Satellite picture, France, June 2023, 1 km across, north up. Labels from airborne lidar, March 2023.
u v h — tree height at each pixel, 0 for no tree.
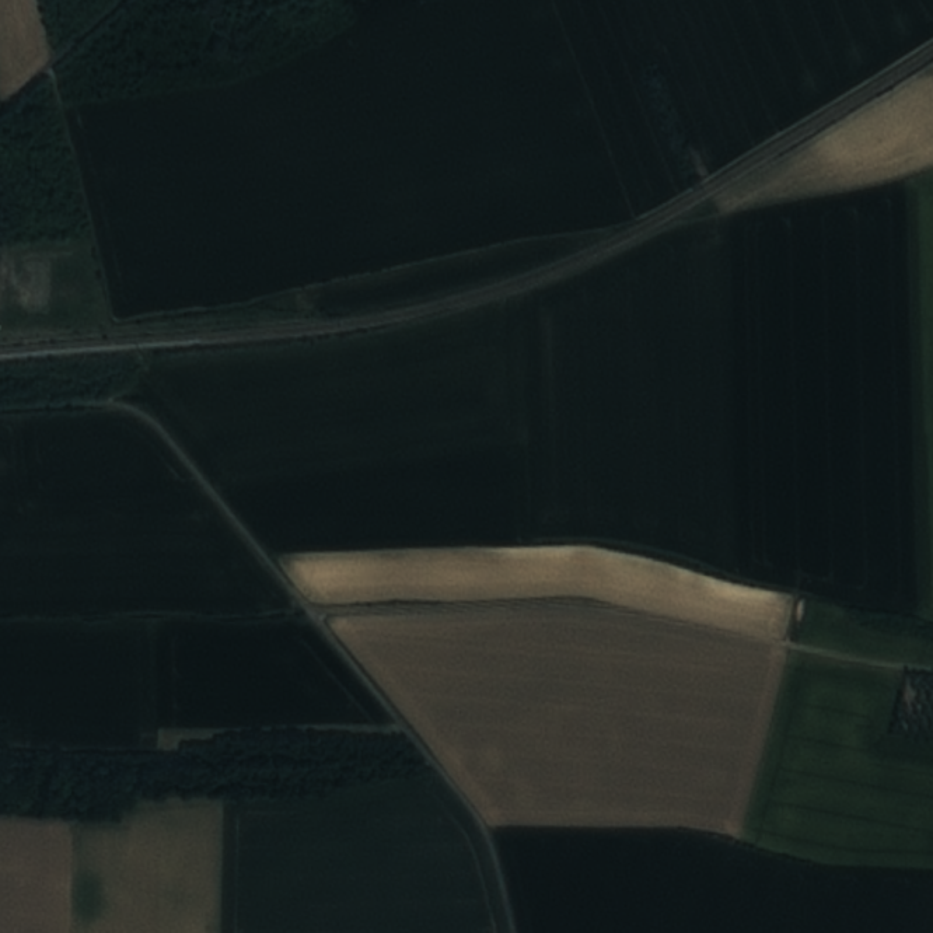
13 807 13
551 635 0
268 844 0
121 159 0
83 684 0
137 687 0
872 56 0
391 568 0
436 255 0
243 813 0
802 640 0
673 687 0
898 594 0
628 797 0
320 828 0
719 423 0
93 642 0
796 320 0
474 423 0
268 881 0
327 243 0
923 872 0
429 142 0
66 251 0
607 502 0
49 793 21
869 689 0
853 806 0
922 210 0
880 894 0
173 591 0
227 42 17
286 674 0
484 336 0
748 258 0
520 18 0
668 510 0
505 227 0
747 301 0
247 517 0
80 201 10
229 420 0
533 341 0
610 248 0
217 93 0
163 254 0
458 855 0
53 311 0
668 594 0
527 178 0
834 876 0
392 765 11
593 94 0
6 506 0
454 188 0
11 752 24
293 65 0
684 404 0
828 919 0
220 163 0
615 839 0
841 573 0
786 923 0
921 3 0
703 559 0
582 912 0
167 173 0
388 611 0
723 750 0
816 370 0
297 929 0
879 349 0
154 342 0
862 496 0
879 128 0
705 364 0
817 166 0
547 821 0
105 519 0
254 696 0
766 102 0
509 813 0
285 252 0
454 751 0
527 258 0
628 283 0
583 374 0
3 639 0
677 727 0
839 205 0
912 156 0
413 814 0
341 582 0
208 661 0
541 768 0
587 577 0
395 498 0
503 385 0
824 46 0
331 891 0
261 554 0
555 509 0
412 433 0
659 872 0
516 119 0
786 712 0
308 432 0
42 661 0
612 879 0
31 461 0
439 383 0
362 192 0
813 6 0
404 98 0
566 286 0
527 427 0
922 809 0
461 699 0
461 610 0
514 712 0
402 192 0
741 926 0
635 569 0
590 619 0
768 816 0
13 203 15
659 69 13
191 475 0
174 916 0
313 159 0
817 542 0
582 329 0
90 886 0
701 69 0
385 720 0
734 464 0
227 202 0
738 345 0
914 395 0
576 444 0
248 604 0
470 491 0
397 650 0
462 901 0
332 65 0
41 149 14
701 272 0
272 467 0
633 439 0
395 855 0
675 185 0
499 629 0
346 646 0
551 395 0
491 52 0
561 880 0
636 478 0
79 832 0
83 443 0
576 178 0
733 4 0
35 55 0
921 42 0
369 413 0
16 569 0
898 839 0
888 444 0
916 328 0
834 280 0
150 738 0
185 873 0
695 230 0
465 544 0
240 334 0
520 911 0
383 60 0
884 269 0
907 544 0
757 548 0
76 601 0
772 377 0
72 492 0
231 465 0
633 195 0
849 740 0
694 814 0
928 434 0
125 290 0
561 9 0
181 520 0
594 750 0
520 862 0
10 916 0
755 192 0
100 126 0
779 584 0
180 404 0
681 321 0
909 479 0
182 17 8
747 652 0
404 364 0
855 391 0
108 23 10
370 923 0
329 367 0
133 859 0
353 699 0
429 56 0
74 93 10
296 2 16
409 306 0
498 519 0
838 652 0
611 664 0
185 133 0
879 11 0
